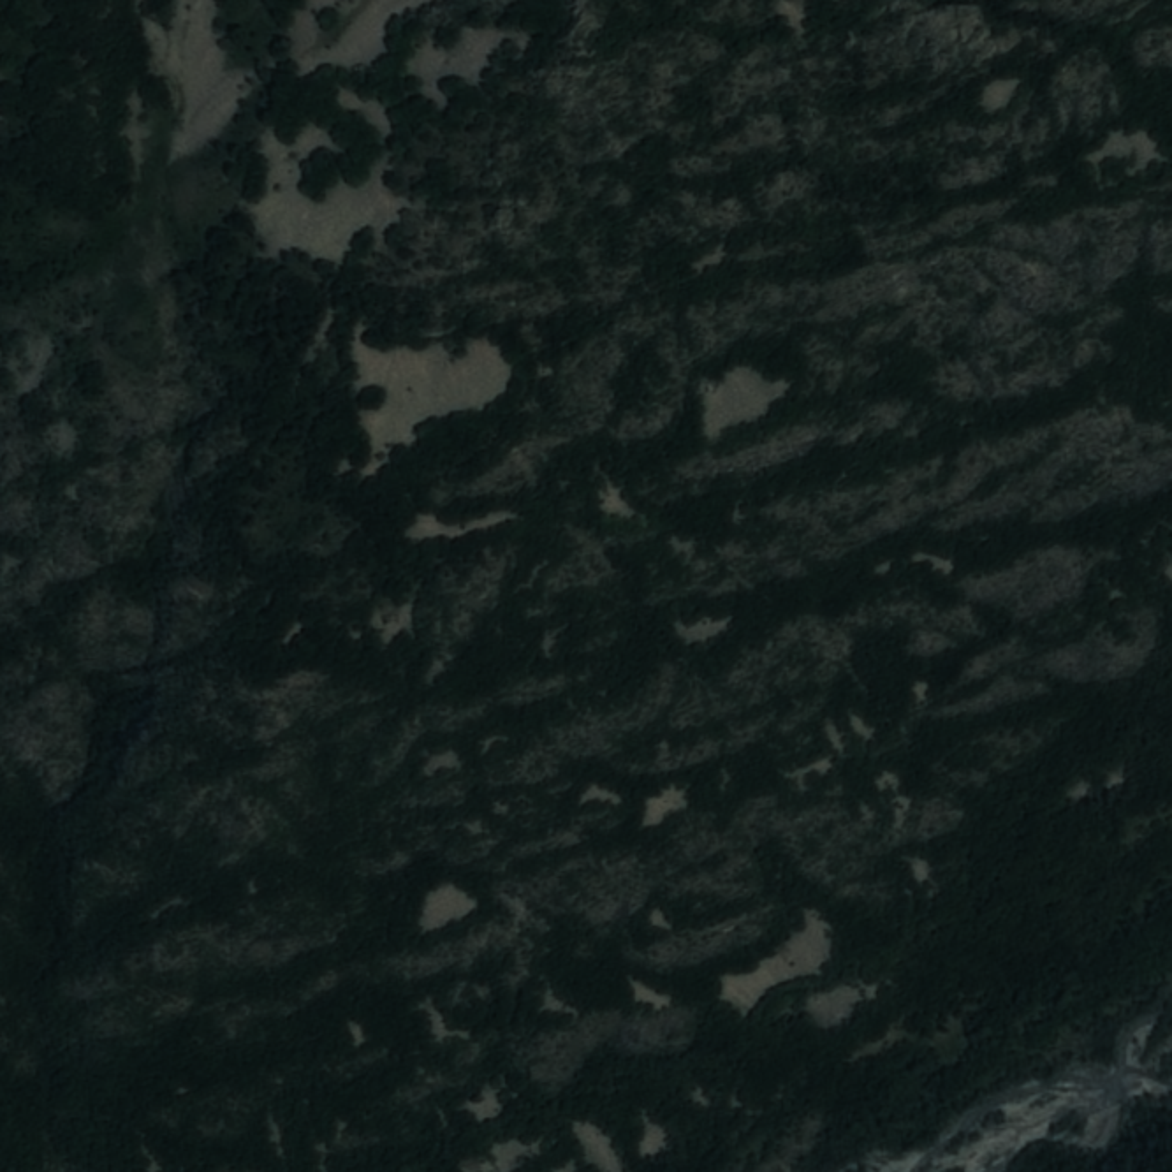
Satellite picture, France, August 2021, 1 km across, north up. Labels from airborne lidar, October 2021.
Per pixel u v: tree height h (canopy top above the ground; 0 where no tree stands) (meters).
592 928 7
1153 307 10
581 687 8
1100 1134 0
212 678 7
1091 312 7
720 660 12
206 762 10
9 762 6
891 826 6
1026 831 19
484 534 10
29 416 7
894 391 11
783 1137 7
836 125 7
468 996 11
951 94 10
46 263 9
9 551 6
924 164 14
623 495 10
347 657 11
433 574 7
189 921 11
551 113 7
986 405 13
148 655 11
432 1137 11
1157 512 9
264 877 9
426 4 7
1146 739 18
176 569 10
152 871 7
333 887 10
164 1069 16
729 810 8
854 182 10
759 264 12
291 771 6
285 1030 12
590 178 11
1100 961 12
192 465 9
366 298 12
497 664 13
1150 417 9
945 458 7
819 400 15
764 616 15
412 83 13
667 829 8
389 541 15
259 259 8
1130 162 6
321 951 11
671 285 10
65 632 8
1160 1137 17
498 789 8
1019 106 11
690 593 13
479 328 15
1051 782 19
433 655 11
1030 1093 0
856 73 9
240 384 11
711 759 10
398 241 7
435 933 7
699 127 10
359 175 10
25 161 16
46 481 8
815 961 0
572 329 17
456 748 6
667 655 9
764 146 7
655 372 6
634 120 6
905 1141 8
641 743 6
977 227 10
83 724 6
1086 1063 10
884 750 13
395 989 13
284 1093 7
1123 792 10
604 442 9
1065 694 17
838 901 10
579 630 10
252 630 16
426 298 7
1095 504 13
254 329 8
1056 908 17
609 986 19
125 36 12
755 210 10
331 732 6
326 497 8
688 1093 14
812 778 8
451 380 0
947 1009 10
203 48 0
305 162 10
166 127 0
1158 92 19
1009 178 17
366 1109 6
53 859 11
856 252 12
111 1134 10
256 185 12
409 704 8
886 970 13
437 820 10
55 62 14
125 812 10
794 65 5
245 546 11
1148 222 6
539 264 6
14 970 9
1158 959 10
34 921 8
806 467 15
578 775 9
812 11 14
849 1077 16
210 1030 8
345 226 0
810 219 10
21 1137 11
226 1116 7
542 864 8
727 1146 10
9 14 16
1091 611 14
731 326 7
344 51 0
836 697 11
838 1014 0
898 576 12
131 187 13
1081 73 9
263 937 7
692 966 9
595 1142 0
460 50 0
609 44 15
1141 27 6
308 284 10
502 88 6
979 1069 9
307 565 14
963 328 8
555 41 10
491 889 9
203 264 8
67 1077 15
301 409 12
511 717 12
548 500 16
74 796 13
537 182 6
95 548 6
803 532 7
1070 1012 9
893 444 10
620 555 8
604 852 8
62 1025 7
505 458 7
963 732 17
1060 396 20
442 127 10
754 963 15
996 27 7
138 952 6
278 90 13
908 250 10
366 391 11
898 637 8
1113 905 18
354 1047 10
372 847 7
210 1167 15
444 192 12
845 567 15
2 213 18
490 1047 13
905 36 8
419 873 16
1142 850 14
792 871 7
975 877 16
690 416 12
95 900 5
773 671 7
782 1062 16
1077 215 6
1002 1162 0
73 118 10
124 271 0
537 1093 14
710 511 17
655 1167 17
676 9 14
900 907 15
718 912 9
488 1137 20
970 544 16
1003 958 13
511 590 10
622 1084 24
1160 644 9
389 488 12
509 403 13
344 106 7
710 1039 17
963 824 7
